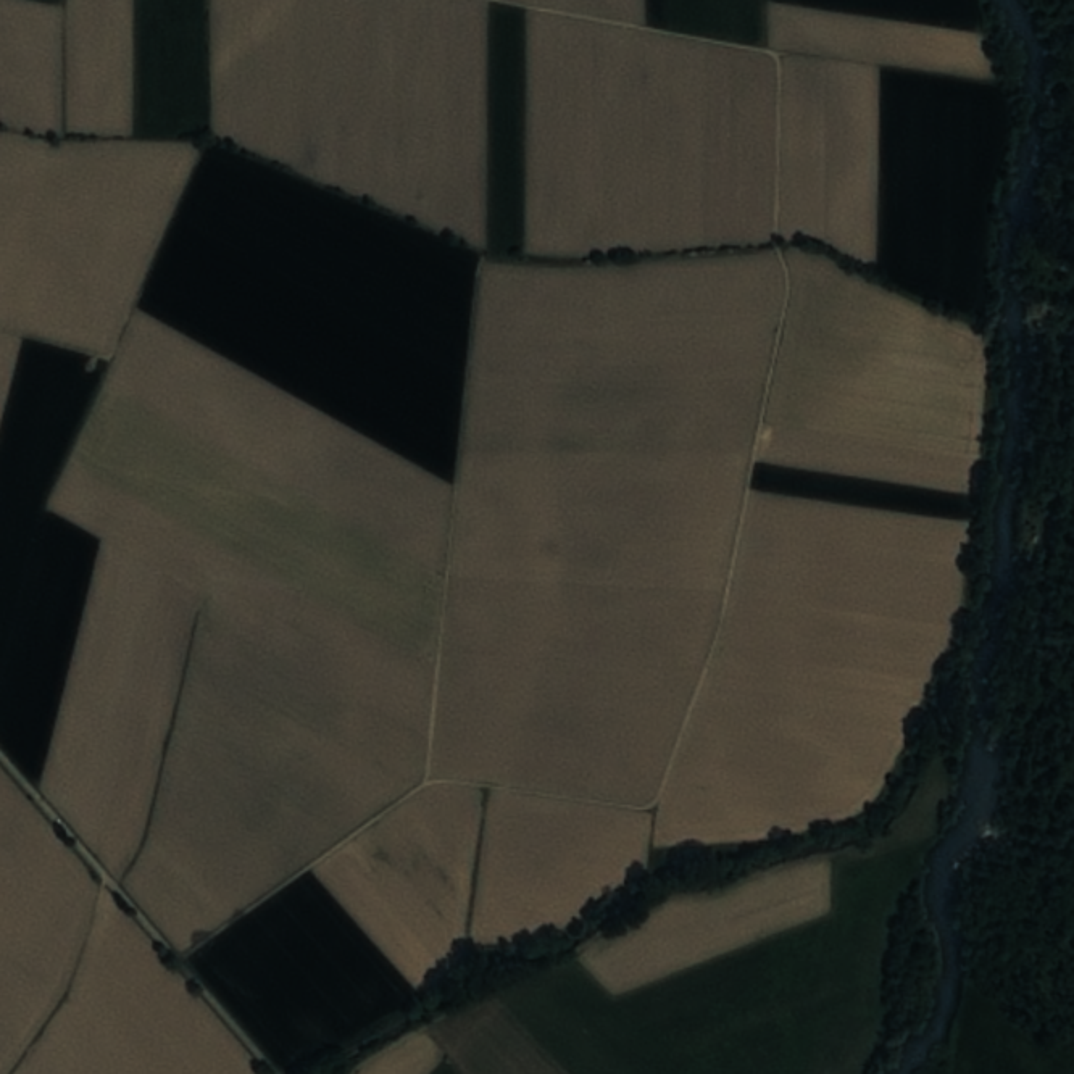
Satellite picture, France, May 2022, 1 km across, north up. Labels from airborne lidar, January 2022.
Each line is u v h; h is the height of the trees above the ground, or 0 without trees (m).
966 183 0
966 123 0
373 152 0
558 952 16
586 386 0
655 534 0
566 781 0
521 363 0
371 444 0
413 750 0
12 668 0
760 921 0
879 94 0
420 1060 0
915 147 0
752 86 0
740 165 0
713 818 0
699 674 0
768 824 0
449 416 0
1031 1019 23
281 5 0
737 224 0
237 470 0
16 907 0
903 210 0
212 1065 0
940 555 0
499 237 0
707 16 0
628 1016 0
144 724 0
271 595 0
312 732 0
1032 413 37
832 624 0
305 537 0
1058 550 6
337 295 0
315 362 0
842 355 0
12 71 0
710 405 0
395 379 0
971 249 0
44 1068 0
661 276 0
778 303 0
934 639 0
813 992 0
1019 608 25
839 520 0
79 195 0
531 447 0
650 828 0
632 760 0
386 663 0
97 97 0
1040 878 9
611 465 0
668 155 0
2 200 0
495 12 0
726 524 0
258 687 0
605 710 0
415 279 0
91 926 0
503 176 0
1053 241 17
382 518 0
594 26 0
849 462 0
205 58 0
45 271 0
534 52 0
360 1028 0
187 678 0
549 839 0
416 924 0
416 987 0
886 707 0
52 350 0
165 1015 0
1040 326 13
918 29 0
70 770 0
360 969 0
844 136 0
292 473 0
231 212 0
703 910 0
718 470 0
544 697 0
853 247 0
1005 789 10
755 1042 0
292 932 0
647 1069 0
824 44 0
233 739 0
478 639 0
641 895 20
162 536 0
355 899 0
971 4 0
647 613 0
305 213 0
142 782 0
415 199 0
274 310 0
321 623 0
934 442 0
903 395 0
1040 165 26
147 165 0
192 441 0
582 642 0
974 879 8
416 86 0
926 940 13
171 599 0
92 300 0
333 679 0
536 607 0
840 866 0
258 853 0
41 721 0
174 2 0
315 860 0
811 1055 0
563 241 0
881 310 0
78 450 0
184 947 0
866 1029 0
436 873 0
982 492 21
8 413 0
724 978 0
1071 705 12
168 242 0
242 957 0
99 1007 0
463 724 0
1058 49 23
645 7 0
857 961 0
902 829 0
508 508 0
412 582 0
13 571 0
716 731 0
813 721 0
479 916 0
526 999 0
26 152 0
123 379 0
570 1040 0
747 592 0
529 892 0
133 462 0
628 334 0
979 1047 0
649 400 0
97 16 0
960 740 11
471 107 0
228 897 0
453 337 0
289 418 0
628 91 0
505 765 0
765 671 0
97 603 0
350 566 0
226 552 0
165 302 0
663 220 0
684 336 0
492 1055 0
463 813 0
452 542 0
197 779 0
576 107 0
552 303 0
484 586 0
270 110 0
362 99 0
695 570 0
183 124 0
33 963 0
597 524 0
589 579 0
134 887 0
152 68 0
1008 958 25
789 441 0
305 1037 0
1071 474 18
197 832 0
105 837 0
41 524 0
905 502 0
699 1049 0
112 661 0
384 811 0
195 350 0
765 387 0
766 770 0
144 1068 0
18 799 0
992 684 19
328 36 0
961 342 0
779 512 0
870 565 0
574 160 0
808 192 0
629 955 0
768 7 0
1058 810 21
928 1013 9
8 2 0
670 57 0
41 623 0
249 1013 0
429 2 0
